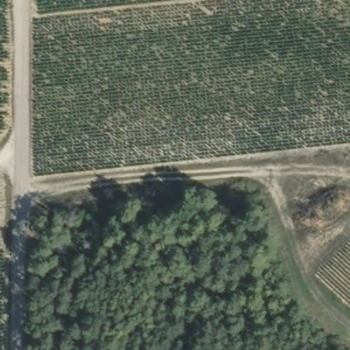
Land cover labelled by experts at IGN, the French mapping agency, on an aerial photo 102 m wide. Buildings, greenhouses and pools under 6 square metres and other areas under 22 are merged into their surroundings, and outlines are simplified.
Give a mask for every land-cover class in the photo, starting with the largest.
<instances>
[{"label":"vineyard","instance_id":"1","mask_svg":"<svg viewBox=\"0 0 350 350\"><path fill-rule=\"evenodd\" d=\"M14 0H0V150L7 144L15 127V21L12 4ZM38 14L33 19V26L30 29V48L33 51H30L29 68V118L34 175L103 168L133 171L176 167L299 154L308 156L319 150L350 149V0H36ZM19 196L12 194L10 175L0 167V267L1 262L7 258L10 261L18 260V256L8 252V247L12 246V238L15 237L12 234V220L16 215L8 211L15 209V201ZM316 279L334 293L343 305L350 308V247L327 271L321 275L316 273ZM7 298H4L0 288V350H4L3 324L8 319L5 312Z\"/></svg>","mask_w":350,"mask_h":350},{"label":"coniferous trees","instance_id":"2","mask_svg":"<svg viewBox=\"0 0 350 350\"><path fill-rule=\"evenodd\" d=\"M265 187L257 179L239 176L196 180L190 189H186L185 196H178L160 212L154 211L144 200H119L113 209L111 220L97 212L86 213L78 204L67 216L38 217V227L42 228L44 234L42 242L45 249L33 253L29 268V288L30 294L33 295L30 310L33 317L23 325L22 350H350V346L338 345V335H328L327 331H324L323 325L317 320V314L304 304V297L295 291L293 284L283 280L276 271V267L280 265V234L272 223H269V211L264 201L253 198Z\"/></svg>","mask_w":350,"mask_h":350},{"label":"herbaceous vegetation","instance_id":"3","mask_svg":"<svg viewBox=\"0 0 350 350\"><path fill-rule=\"evenodd\" d=\"M298 163L339 165L350 172V149L319 150L308 156L299 154L176 167L179 172L185 174L186 170L201 168L262 167L268 164ZM186 189L180 180H142L139 183L119 185L115 179H105L103 175H97V180L90 183V189L68 191L59 196L49 194L44 201L31 208L29 228L36 234L23 243L25 254L21 256L23 268H29L33 253L45 249L42 242L44 234L42 228L38 227V217L67 216L78 204L86 213L97 212L111 220L113 209L119 200H144L154 211L160 212L178 196H185ZM279 186L286 196V209L288 216L293 220L294 228L283 226L275 201L265 187L253 198L264 201L269 211V223H272L280 234V265L276 267V271L283 280L293 284L295 291L304 297V304L317 314V320L323 325L324 331H327L328 335H338V345L350 346V308L343 305L334 293L316 279V273L321 275L327 271L350 247V179L329 175L280 176Z\"/></svg>","mask_w":350,"mask_h":350},{"label":"pervious surface","instance_id":"4","mask_svg":"<svg viewBox=\"0 0 350 350\"><path fill-rule=\"evenodd\" d=\"M12 4L15 21V127L7 144L0 150V167L10 175L12 194L19 196L15 201V209L8 211L16 215L12 220V234L15 237L12 238V246L8 247V252L18 256V260L10 261L7 258L1 262L0 267V288L4 298H7L5 312L8 319L3 324L4 350H22L23 325L33 317L30 310L33 295L30 294L29 288V268H23L21 256L25 254L23 243L36 234L29 228L31 208L44 201L49 194L59 196L68 191L90 189V183L97 180V175H103L105 179H115L119 185L139 183L142 180H180L186 189H190L196 180L239 176L257 179L265 187L275 201L283 226L294 228L293 220L288 216L286 209V196L279 186L280 176L329 175L350 179V172L339 165L298 163L268 164L262 167L201 168L186 170L185 174L179 172L176 167L133 171L103 168L34 175L29 118V68L30 51H33L30 48V29L33 26V19L38 14L36 0H14Z\"/></svg>","mask_w":350,"mask_h":350}]
</instances>
